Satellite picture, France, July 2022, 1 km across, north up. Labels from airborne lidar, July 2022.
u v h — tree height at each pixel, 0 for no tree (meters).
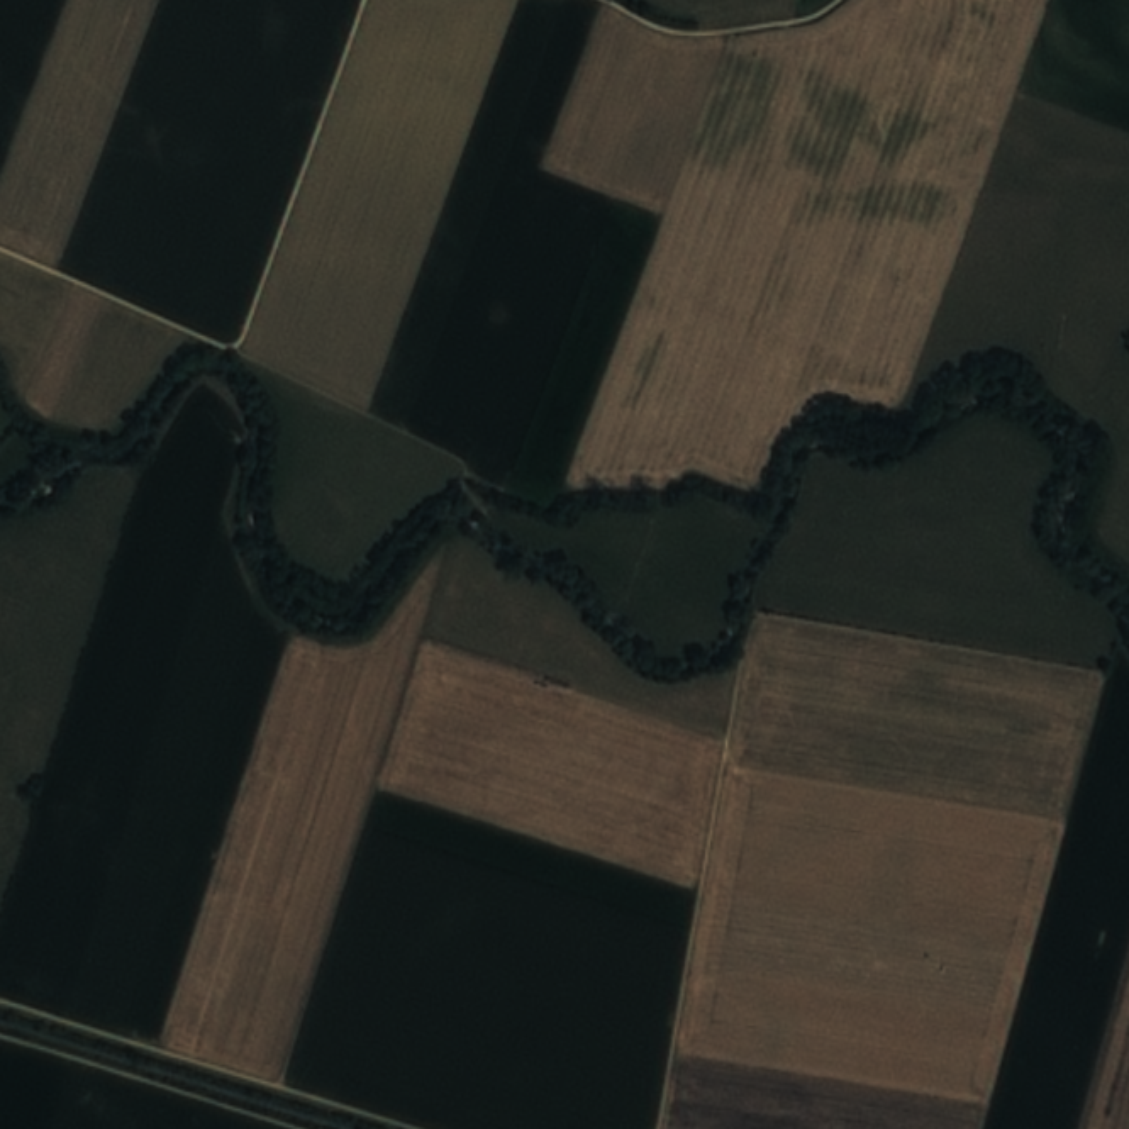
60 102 0
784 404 0
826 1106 0
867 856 0
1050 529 11
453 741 0
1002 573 0
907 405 0
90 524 0
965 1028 0
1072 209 0
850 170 0
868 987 0
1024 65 0
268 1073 0
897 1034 0
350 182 0
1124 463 0
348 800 0
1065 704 0
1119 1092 0
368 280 0
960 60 0
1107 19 0
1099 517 0
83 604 0
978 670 0
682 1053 0
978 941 0
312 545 0
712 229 0
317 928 0
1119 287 0
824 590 0
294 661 0
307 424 0
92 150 0
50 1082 0
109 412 0
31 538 0
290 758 0
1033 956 0
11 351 0
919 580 0
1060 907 0
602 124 0
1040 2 0
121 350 0
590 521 0
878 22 0
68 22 0
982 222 0
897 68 0
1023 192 0
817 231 0
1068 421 16
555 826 0
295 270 0
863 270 0
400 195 0
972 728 0
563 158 0
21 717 0
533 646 0
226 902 0
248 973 0
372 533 0
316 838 0
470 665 0
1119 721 0
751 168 0
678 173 0
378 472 0
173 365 16
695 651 17
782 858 0
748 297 0
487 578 0
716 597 0
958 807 0
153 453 16
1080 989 0
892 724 0
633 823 0
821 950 0
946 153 0
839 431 31
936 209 0
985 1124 0
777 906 0
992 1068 0
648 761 0
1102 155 0
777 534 6
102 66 0
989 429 0
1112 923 0
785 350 0
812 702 0
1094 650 0
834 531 0
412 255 0
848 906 0
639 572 0
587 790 0
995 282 0
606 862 0
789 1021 0
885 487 0
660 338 0
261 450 13
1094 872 0
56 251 0
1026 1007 0
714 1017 0
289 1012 0
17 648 0
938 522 0
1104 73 0
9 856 0
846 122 0
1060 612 0
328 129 0
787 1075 0
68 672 0
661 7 0
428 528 14
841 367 0
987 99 0
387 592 15
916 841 0
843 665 0
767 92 0
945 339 0
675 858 0
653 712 0
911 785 0
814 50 0
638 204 0
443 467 0
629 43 0
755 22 0
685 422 0
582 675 0
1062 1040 0
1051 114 0
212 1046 0
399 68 0
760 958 0
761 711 0
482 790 0
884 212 0
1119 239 0
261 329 0
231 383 8
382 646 0
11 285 0
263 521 10
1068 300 0
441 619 0
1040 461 0
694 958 0
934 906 0
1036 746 0
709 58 0
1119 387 0
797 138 0
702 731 0
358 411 0
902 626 0
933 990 0
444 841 0
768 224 0
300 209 0
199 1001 0
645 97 0
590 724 0
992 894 0
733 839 0
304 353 0
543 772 0
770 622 0
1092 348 0
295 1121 7
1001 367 18
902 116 0
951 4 0
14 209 0
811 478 0
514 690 0
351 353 0
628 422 0
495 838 0
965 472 0
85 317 0
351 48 0
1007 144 0
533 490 0
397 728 0
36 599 0
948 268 0
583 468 0
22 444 0
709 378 0
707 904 0
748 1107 0
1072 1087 0
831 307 0
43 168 0
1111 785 0
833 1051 0
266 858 0
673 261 0
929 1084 0
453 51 0
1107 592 18
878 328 0
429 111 0
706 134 0
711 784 0
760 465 0
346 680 0
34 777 6
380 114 0
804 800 0
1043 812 0
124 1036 0
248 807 0
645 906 0
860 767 0
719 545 0
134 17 0
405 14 0
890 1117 0
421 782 0
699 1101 0
